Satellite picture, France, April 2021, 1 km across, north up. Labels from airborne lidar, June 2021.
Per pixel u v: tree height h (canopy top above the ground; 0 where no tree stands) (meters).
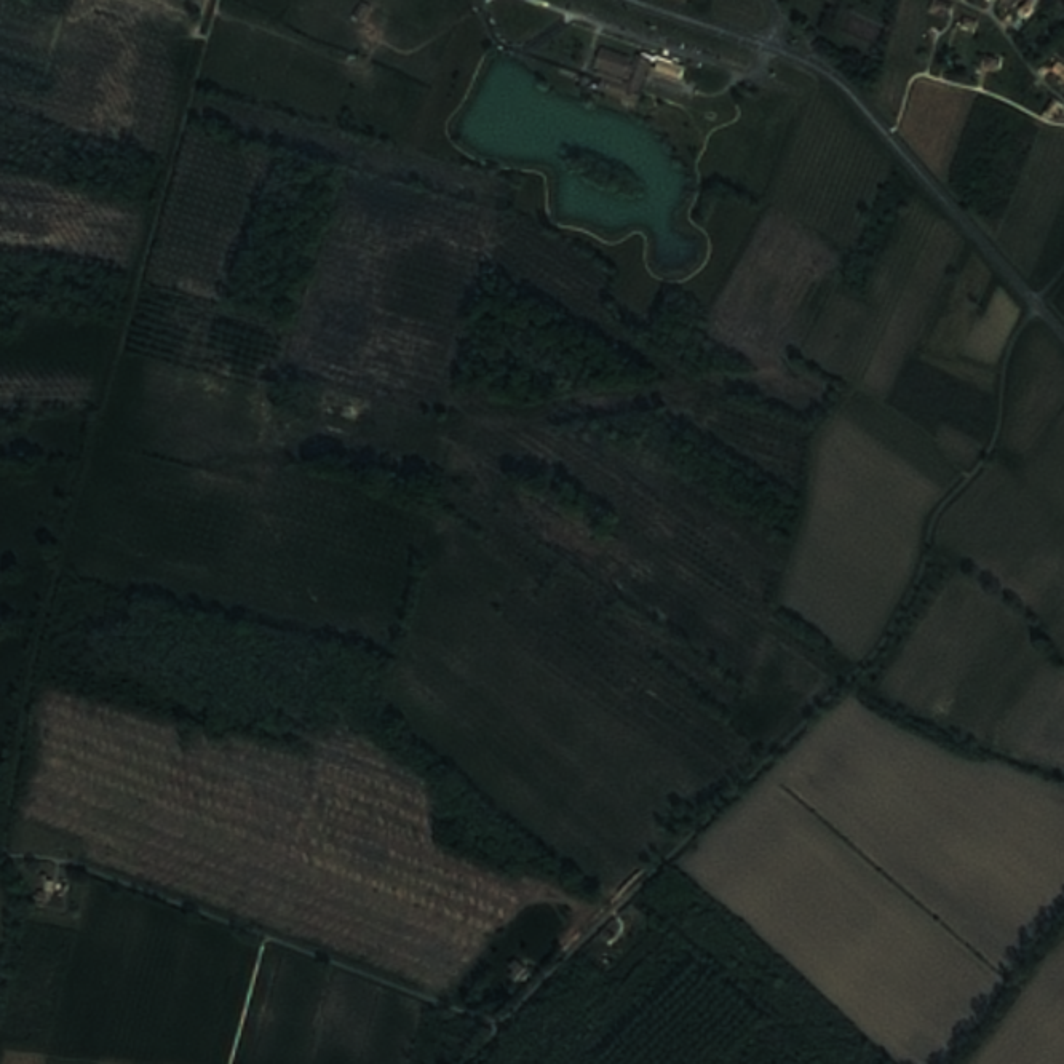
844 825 0
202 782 0
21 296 13
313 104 0
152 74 24
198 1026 0
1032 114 0
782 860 0
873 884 0
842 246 0
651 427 21
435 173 0
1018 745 0
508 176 11
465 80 0
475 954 0
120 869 0
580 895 11
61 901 11
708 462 19
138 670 17
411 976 0
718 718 12
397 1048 0
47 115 20
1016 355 0
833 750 0
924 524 0
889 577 0
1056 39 12
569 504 28
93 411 15
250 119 0
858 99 0
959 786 0
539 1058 10
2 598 0
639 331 25
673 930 12
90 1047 0
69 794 0
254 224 14
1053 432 0
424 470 20
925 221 0
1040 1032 0
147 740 0
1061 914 18
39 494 0
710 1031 20
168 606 18
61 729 0
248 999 0
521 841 12
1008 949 0
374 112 0
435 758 14
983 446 0
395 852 0
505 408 6
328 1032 0
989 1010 19
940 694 0
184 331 6
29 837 0
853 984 0
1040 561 0
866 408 0
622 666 0
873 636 0
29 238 23
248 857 0
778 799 0
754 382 0
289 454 0
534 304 23
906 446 0
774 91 0
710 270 0
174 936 0
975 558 0
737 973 7
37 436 0
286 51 0
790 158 0
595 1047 7
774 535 17
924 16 0
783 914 0
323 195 26
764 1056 7
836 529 0
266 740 12
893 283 0
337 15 0
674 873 9
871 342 0
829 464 0
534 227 7
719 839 0
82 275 18
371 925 0
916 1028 0
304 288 23
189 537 9
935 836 0
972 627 0
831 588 0
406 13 0
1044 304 0
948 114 0
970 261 0
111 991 0
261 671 16
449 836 17
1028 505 0
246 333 15
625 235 0
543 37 0
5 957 15
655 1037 19
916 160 0
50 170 6
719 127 0
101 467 0
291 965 0
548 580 21
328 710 15
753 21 0
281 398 15
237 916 0
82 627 7
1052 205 0
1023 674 0
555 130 0
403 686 0
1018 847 0
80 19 22
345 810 0
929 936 0
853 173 0
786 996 9
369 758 0
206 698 17
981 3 9
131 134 23
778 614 7
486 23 0
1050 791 0
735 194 15
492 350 22
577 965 10
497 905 0
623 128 0
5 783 8
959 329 0
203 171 19
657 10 0
